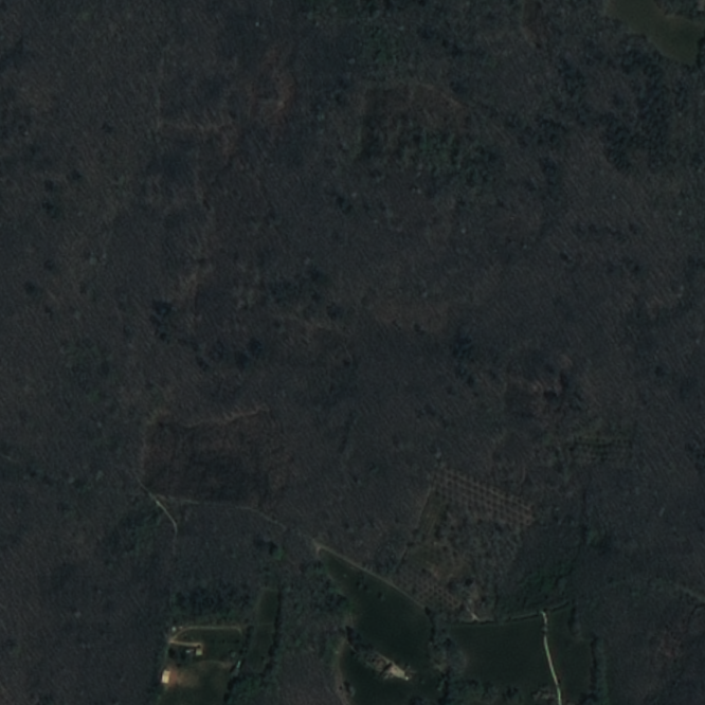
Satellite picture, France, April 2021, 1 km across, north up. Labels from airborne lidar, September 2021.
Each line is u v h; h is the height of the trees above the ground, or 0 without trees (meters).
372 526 23
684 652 7
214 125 19
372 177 11
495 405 19
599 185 17
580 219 19
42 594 12
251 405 18
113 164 21
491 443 19
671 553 14
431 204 19
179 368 18
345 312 19
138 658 15
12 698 18
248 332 11
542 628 5
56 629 13
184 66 25
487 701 19
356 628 0
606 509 22
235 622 15
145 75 24
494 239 12
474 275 17
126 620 13
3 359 18
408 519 16
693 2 24
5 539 15
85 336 20
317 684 19
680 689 11
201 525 13
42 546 15
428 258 19
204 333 12
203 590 24
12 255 19
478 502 11
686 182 19
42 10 20
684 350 20
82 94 25
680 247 20
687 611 9
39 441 18
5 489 18
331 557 0
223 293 10
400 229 19
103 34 22
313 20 16
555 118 16
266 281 18
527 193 19
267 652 0
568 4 17
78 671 13
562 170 19
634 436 14
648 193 17
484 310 15
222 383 13
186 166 19
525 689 0
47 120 14
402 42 18
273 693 18
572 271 10
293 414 18
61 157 19
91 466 19
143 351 16
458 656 20
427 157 21
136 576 11
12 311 17
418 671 0
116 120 21
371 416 18
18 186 17
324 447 15
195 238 16
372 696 0
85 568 13
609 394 16
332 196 20
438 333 23
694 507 20
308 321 17
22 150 14
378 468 15
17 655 24
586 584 14
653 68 25
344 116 22
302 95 14
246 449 8
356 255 22
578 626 16
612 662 12
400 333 21
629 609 14
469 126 16
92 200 21
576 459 14
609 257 17
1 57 16
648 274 20
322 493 15
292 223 19
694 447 18
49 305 17
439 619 12
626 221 19
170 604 18
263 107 7
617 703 11
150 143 20
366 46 16
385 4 10
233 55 17
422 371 16
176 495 8
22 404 21
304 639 21
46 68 19
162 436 8
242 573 19
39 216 23
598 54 19
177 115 19
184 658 12
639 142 17
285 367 17
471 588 18
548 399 7
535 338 19
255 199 12
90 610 14
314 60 19
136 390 15
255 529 13
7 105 13
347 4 11
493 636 0
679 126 19
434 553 7
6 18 21
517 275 15
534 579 8
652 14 0
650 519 18
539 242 10
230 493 7
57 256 20
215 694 0
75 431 21
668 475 19
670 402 19
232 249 9
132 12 24
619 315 16
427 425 22
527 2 10
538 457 12
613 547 14
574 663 0
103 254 21
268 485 6
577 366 18
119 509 17
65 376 22
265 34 19
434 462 15
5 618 18
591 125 20
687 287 17
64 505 19
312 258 18
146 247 17
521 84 18
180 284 20
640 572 13
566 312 16
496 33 19
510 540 17
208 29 20
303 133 20
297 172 22
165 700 0
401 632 0
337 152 19
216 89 15
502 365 18
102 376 20
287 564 13
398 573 13
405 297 21
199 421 18
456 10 21
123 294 16
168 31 21
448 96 20
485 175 18
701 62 14
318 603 21
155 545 16
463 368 25
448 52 25
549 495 7
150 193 18
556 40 18
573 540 11
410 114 6
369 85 21
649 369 18
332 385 15
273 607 0
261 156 21
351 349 8
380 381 17
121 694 13
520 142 18
